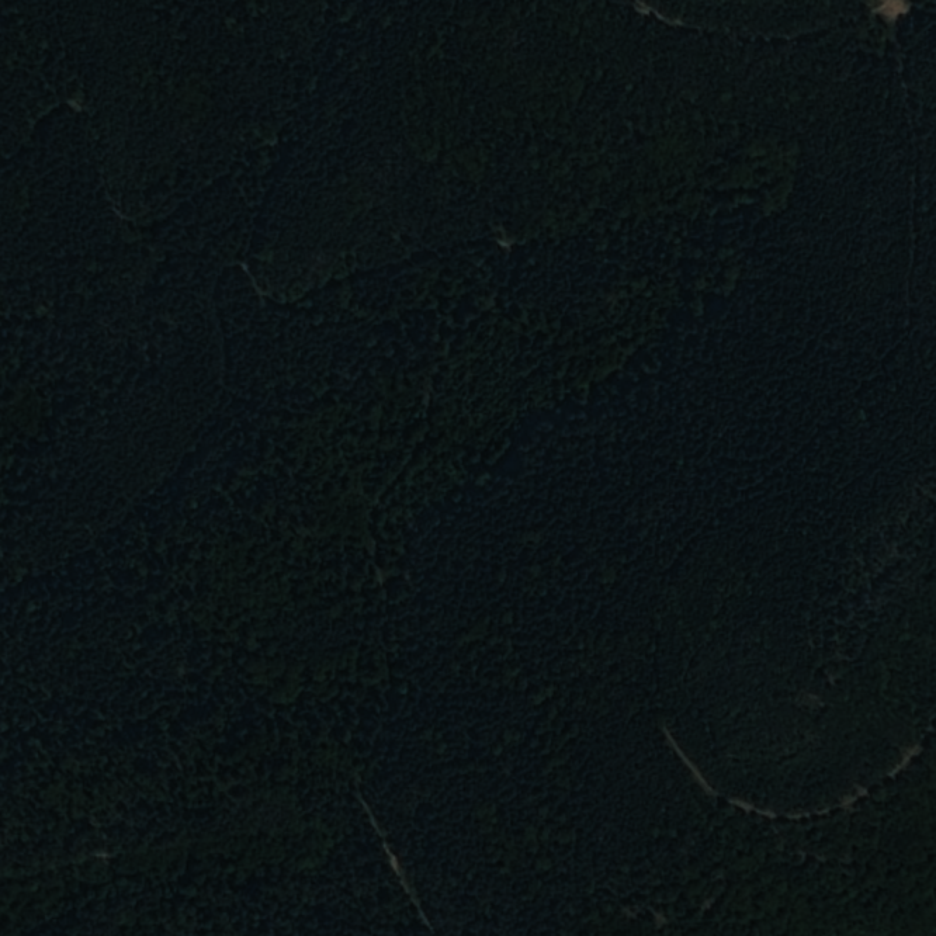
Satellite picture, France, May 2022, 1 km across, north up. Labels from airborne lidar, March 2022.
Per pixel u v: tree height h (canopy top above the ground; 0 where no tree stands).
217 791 15
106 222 27
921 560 17
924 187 16
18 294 28
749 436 27
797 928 9
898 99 22
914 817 11
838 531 26
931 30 6
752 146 30
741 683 14
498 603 31
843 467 19
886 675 18
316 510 8
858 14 17
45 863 24
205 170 27
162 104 24
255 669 31
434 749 32
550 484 32
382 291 32
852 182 19
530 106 20
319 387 25
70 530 33
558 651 27
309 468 19
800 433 27
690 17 16
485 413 11
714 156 24
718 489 28
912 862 17
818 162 23
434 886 25
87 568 34
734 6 11
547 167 27
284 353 31
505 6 24
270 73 33
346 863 27
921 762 17
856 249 21
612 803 26
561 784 28
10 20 34
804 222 24
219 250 35
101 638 22
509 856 31
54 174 36
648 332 9
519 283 27
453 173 21
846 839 9
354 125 33
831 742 12
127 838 23
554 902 24
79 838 20
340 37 35
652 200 20
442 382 14
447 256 33
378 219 25
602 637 26
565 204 23
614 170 22
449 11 20
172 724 10
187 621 11
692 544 26
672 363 27
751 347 28
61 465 28
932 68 18
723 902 16
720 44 23
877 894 9
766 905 16
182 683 37
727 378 26
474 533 30
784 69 23
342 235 18
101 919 29
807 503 26
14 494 11
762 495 29
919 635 20
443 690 29
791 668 13
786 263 24
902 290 17
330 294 31
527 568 30
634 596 27
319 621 23
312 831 25
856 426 24
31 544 32
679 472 25
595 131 25
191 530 32
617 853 27
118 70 25
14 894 16
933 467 16
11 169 32
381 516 15
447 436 14
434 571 30
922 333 16
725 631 18
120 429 27
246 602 13
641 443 27
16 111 30
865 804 13
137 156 22
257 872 25
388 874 30
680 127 22
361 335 24
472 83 21
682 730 21
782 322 26
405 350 31
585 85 22
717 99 21
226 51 28
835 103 21
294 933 28
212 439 29
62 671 22
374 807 21
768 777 10
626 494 31
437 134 19
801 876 17
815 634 17
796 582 23
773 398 29
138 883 32
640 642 26
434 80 19
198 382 30
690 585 20
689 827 19
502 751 28
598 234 26
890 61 7
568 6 21
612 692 26
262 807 20
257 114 24
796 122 24
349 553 10
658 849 30
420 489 7
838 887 14
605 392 13
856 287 19
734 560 23
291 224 22
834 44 22
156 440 27
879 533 17
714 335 35
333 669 12
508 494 34
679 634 18
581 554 31
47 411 19
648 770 23
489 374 7
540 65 19
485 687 29
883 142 22
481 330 9
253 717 29
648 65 22
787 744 9
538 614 33
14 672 22
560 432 37
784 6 8
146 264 25
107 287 27
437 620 30
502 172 23
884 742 17
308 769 16
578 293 32
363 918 23
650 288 15
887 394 24
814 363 26
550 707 28
